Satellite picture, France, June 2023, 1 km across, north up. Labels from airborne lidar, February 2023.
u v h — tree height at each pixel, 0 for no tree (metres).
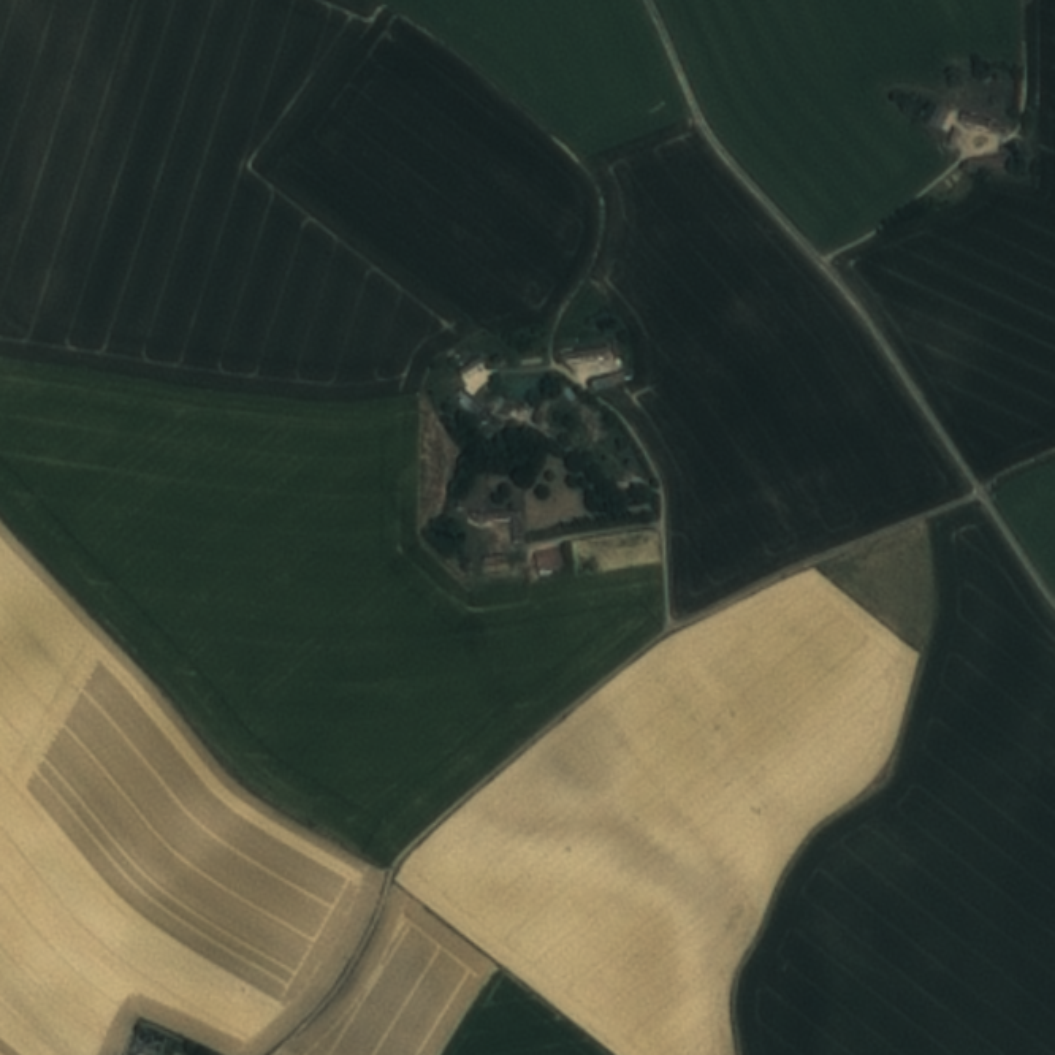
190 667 0
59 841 0
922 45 0
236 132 0
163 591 0
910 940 0
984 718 0
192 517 0
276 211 0
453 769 0
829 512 0
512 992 0
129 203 0
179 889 0
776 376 0
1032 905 0
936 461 0
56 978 0
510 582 0
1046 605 0
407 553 0
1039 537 0
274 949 0
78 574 0
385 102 0
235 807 0
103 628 0
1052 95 0
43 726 0
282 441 0
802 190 0
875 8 0
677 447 0
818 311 0
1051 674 0
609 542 0
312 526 0
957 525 0
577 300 0
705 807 0
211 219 0
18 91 0
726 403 0
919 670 0
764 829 0
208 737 0
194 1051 14
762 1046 0
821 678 0
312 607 0
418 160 0
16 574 0
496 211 0
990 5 0
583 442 0
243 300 0
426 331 0
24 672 0
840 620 0
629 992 0
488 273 0
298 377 0
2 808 0
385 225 0
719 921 0
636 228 0
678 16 0
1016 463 0
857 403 0
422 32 0
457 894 0
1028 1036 0
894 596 0
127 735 0
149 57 0
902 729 0
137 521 0
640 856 0
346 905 0
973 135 0
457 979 0
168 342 0
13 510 0
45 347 0
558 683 0
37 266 0
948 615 0
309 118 0
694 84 0
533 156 0
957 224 0
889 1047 0
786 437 0
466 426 14
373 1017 0
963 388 0
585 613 0
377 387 0
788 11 0
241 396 0
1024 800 0
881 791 0
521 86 0
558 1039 0
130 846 0
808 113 0
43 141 0
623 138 0
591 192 0
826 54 0
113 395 0
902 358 0
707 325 0
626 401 0
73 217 0
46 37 0
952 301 0
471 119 0
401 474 0
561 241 0
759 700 0
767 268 0
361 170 0
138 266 0
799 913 0
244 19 0
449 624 0
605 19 0
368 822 0
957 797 0
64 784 0
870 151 0
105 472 0
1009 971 0
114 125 0
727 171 0
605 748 0
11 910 0
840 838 0
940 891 0
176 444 0
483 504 0
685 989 0
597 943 0
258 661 0
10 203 0
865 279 0
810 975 0
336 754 0
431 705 0
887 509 0
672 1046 0
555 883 0
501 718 0
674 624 0
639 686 0
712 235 0
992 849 0
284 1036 0
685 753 0
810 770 0
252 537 0
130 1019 0
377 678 0
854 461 0
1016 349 0
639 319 0
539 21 0
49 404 0
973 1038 0
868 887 0
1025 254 0
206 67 0
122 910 0
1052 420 0
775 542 0
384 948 0
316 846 0
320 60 0
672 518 0
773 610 0
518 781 0
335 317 0
